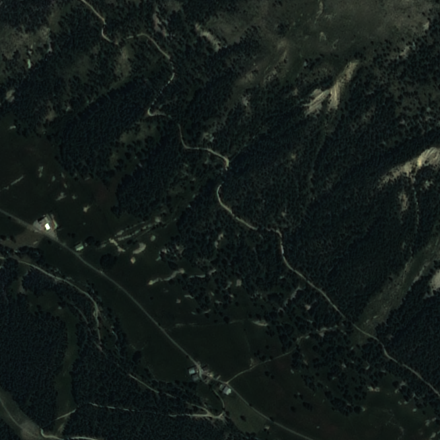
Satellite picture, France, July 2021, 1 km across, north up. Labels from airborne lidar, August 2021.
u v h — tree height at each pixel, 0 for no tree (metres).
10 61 10
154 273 0
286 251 14
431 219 8
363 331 0
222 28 0
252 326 0
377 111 13
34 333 15
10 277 13
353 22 0
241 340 0
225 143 8
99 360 17
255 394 0
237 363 0
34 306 0
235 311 0
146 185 24
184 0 20
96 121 23
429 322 19
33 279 13
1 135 0
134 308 0
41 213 0
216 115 15
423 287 18
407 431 0
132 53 0
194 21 19
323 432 0
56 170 0
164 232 0
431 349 14
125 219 0
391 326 18
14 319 17
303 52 0
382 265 17
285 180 7
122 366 24
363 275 10
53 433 0
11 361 19
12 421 0
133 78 8
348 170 17
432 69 12
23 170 0
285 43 0
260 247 13
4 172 0
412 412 0
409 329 19
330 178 14
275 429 0
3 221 0
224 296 9
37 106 14
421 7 0
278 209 17
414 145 14
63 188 0
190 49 24
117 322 11
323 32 0
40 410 19
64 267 0
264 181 6
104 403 20
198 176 19
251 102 9
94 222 0
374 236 20
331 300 9
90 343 17
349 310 21
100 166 18
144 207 18
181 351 0
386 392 0
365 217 22
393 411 0
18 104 22
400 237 15
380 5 0
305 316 18
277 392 0
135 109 12
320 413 0
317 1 0
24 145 0
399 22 0
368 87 17
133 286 0
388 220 16
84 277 0
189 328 0
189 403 16
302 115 8
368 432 0
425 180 13
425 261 0
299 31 0
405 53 0
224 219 16
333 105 0
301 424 0
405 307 18
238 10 15
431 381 10
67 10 0
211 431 17
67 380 0
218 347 0
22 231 0
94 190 0
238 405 0
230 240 14
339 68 0
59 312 0
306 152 15
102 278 0
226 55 19
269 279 18
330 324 23
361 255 20
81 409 10
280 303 23
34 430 0
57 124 12
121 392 22
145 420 18
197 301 17
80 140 26
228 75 24
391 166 7
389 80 9
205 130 19
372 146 21
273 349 0
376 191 8
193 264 11
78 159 23
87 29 22
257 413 0
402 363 13
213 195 15
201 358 0
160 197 18
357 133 17
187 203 0
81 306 13
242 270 14
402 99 14
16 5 18
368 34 0
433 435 0
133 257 0
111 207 0
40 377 16
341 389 14
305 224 21
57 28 0
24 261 0
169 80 0
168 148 23
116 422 9
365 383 13
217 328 0
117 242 0
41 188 0
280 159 10
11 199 0
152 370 0
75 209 0
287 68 0
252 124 13
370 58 0
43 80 23
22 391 18
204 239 15
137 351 0
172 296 0
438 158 0
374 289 18
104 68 21
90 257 0
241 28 0
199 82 23
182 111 20
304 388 0
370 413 0
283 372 0
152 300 8
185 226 22
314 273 22
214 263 19
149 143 29
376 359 17
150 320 0
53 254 0
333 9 0
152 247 0
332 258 11
